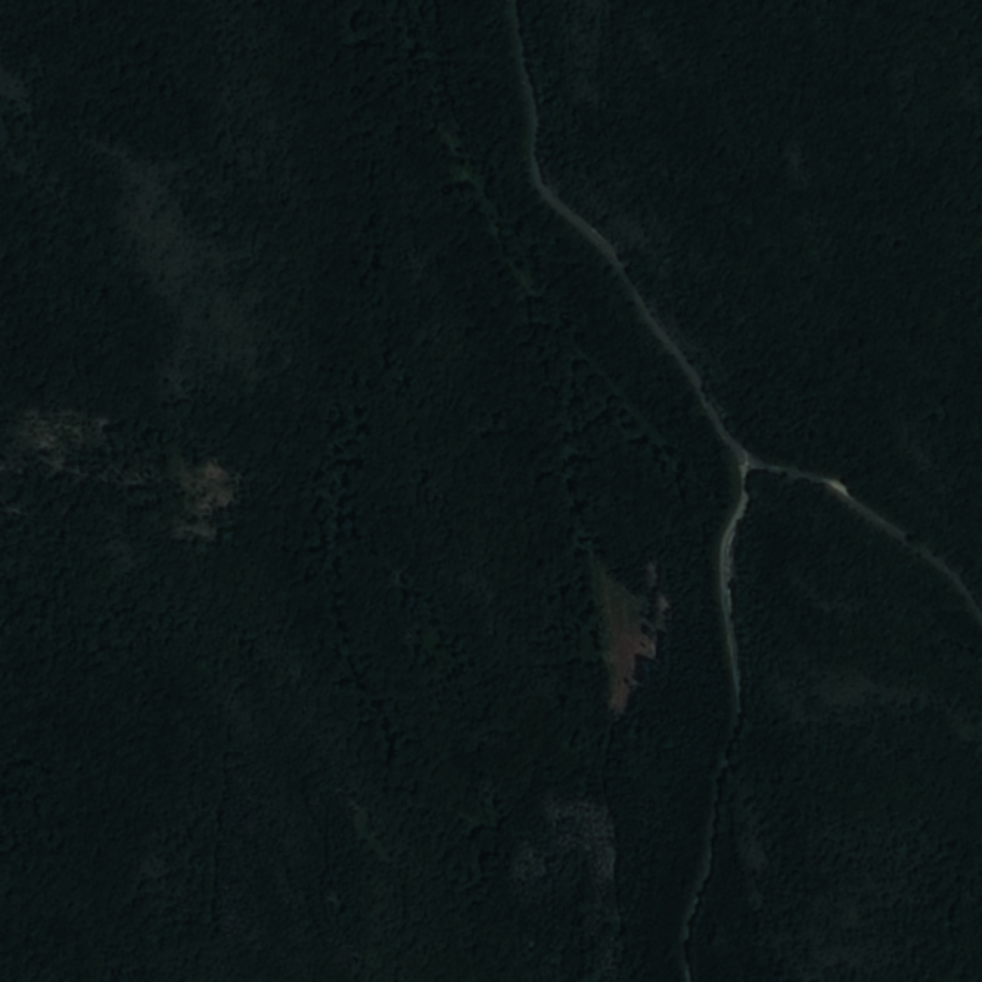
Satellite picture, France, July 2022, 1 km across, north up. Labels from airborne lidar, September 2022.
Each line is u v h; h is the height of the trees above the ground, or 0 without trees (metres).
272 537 18
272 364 14
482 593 6
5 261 15
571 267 22
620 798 13
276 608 15
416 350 15
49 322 12
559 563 23
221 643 10
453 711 9
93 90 12
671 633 12
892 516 15
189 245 6
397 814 17
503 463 20
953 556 16
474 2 20
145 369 20
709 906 10
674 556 12
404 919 13
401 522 16
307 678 12
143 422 19
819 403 15
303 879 9
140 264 7
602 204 8
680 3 17
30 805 22
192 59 22
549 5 15
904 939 13
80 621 16
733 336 13
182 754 17
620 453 23
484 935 23
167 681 16
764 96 14
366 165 26
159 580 10
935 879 14
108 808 21
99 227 18
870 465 13
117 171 11
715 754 12
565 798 18
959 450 15
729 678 16
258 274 11
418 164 29
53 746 17
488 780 32
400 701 19
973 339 18
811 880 12
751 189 23
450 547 24
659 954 16
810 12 22
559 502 27
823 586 15
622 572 17
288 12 28
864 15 22
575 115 13
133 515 14
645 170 12
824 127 18
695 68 21
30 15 12
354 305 27
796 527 13
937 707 11
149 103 15
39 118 15
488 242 19
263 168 12
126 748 18
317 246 24
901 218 20
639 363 20
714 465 9
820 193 12
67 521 12
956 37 13
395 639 19
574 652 23
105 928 21
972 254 18
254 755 10
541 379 20
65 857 17
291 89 26
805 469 16
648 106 12
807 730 10
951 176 16
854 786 19
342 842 14
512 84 17
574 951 14
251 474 15
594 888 19
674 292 12
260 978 9
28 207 19
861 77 19
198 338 6
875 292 20
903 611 17
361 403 26
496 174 24
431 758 20
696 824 14
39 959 23
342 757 10
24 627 17
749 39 15
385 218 23
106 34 11
